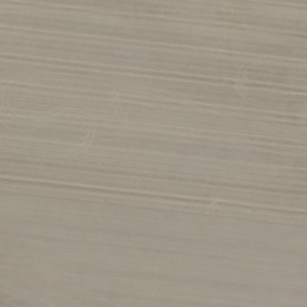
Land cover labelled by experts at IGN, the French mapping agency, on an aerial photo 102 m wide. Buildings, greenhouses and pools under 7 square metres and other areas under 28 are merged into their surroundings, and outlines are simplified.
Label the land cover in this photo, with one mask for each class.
<instances>
[{"label":"plowed land","instance_id":"1","mask_svg":"<svg viewBox=\"0 0 307 307\"><path fill-rule=\"evenodd\" d=\"M0 307H307V0H0Z\"/></svg>","mask_w":307,"mask_h":307}]
</instances>
